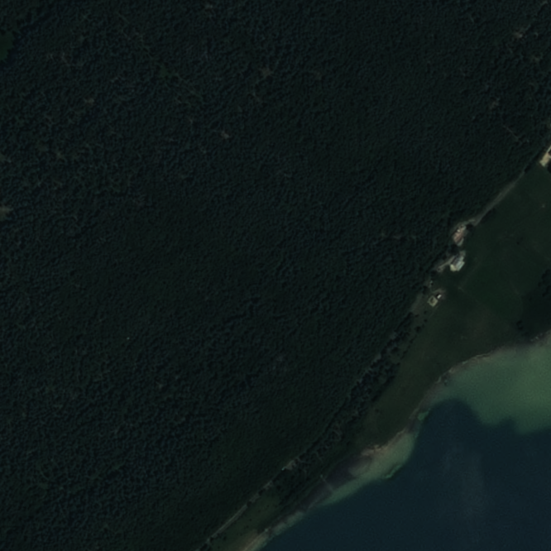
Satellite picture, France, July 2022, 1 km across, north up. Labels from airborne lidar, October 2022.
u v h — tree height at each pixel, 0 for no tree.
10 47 0
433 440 0
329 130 17
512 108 19
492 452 0
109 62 20
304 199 24
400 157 19
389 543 0
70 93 19
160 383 27
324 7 21
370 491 0
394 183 20
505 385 0
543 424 0
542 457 0
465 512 0
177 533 19
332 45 21
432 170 21
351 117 18
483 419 0
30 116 21
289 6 28
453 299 0
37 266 21
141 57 20
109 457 21
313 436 22
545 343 0
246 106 31
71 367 15
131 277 18
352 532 0
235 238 24
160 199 25
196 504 15
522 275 0
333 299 24
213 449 20
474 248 0
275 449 19
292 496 16
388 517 0
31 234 19
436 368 0
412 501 0
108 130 24
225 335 13
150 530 22
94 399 23
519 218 0
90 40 16
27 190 26
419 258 19
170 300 18
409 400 0
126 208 18
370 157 20
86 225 19
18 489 14
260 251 28
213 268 16
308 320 23
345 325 24
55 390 8
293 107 18
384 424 0
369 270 21
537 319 0
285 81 24
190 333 22
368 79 24
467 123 25
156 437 24
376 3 26
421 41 23
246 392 32
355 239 23
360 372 26
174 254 22
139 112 18
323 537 0
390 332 18
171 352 30
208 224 24
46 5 12
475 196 21
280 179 28
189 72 21
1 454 26
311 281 20
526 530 0
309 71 22
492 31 26
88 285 19
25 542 27
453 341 0
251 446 21
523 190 0
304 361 22
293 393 22
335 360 21
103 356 14
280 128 19
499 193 13
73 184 26
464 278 0
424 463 0
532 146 24
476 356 0
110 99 30
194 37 20
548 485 0
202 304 23
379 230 19
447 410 0
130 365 19
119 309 21
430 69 24
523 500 0
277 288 26
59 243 22
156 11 24
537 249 0
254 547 0
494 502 0
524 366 0
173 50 19
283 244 31
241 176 19
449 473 0
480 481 0
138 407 28
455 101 19
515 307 0
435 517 0
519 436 0
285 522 0
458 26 27
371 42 29
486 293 0
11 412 23
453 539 0
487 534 0
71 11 23
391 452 0
